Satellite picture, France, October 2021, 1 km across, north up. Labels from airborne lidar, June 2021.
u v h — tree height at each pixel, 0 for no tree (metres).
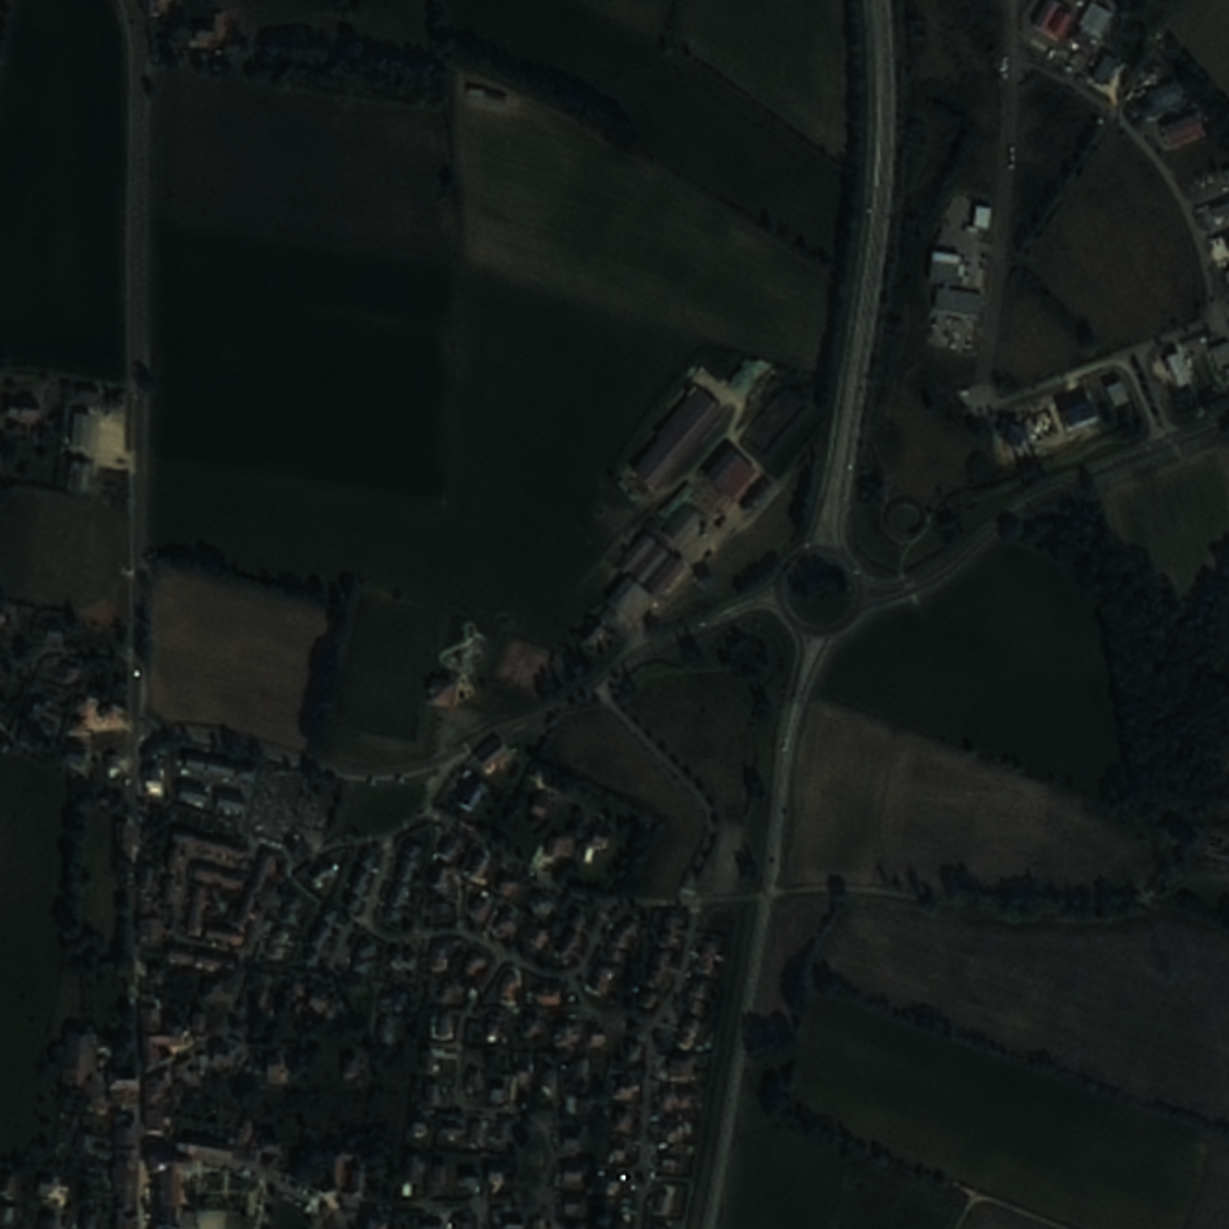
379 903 0
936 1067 0
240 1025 8
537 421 0
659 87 0
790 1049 20
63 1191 0
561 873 6
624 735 0
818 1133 15
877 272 0
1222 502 0
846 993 12
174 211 0
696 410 0
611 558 0
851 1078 0
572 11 0
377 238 0
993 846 0
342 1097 0
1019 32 0
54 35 0
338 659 12
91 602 0
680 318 0
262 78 10
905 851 0
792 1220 0
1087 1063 0
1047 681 0
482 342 0
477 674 0
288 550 0
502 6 0
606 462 0
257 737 0
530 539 0
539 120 0
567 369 0
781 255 0
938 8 0
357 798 0
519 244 0
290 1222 0
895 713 0
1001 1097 0
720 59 0
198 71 12
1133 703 21
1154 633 34
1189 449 0
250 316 0
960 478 0
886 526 0
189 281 0
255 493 0
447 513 0
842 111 0
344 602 13
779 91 0
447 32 9
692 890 0
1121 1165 0
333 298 0
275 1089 0
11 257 0
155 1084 0
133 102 0
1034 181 0
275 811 0
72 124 0
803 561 0
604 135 17
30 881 0
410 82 16
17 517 0
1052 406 0
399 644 0
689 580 0
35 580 0
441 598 0
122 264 0
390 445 0
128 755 0
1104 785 0
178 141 0
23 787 0
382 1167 18
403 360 0
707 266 0
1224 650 13
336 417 0
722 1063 0
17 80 0
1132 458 0
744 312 0
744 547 0
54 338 0
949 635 0
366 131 0
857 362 0
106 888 0
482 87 0
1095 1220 0
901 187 8
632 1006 8
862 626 0
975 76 0
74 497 0
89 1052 0
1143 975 0
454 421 0
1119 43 8
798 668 0
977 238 0
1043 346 0
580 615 0
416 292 0
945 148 0
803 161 0
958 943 0
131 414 0
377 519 0
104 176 0
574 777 8
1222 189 0
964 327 0
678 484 0
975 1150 0
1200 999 0
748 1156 0
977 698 0
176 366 0
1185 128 0
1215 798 23
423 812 0
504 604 0
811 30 0
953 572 0
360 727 0
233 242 0
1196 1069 0
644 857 12
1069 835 0
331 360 0
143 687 0
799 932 0
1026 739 0
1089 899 11
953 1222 0
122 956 12
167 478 0
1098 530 13
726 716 0
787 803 0
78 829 16
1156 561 0
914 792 0
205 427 0
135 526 0
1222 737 26
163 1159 0
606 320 0
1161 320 0
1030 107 0
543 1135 0
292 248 0
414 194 0
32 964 0
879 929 0
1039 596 0
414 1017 10
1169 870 24
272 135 0
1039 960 0
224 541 0
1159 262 0
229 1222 0
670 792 0
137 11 0
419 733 0
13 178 0
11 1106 0
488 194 0
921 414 0
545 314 0
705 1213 0
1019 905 14
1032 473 11
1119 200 0
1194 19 0
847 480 0
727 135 0
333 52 11
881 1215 0
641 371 0
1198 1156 0
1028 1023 0
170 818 7
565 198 0
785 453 0
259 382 0
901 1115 0
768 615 0
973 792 0
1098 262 0
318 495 0
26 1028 0
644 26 0
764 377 0
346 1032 12
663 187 0
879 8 0
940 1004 0
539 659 0
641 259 0
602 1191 19
